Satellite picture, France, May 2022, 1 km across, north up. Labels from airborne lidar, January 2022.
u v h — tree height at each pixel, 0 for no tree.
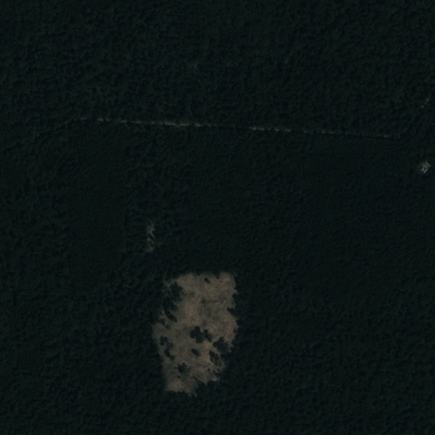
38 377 22
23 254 22
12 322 15
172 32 27
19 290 23
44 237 27
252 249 17
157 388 19
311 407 23
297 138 16
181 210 27
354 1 23
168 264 26
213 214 21
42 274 25
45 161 10
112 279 22
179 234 26
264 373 24
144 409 17
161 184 27
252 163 23
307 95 22
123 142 20
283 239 16
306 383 27
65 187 22
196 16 26
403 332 25
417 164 7
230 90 24
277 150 24
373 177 18
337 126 15
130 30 18
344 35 26
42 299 26
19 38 21
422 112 24
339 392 23
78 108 26
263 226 22
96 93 27
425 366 25
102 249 20
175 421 22
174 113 27
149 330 25
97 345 28
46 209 31
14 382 19
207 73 25
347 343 26
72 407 28
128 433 22
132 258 26
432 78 27
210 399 22
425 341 27
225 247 21
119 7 21
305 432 17
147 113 21
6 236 28
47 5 27
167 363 0
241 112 28
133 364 10
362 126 27
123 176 21
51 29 22
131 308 10
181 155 27
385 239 20
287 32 8
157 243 25
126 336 22
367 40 22
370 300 20
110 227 18
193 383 0
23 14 24
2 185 28
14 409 23
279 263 19
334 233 20
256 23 28
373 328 25
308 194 21
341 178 21
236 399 25
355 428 25
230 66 25
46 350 28
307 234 18
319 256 17
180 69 26
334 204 17
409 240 23
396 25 27
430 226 22
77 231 22
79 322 30
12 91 16
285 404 24
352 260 20
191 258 22
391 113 25
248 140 17
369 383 26
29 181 27
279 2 6
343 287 19
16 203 28
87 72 25
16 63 29
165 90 24
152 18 24
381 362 27
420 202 23
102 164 18
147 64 22
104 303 19
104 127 21
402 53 24
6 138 25
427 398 12
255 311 29
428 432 29
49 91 26
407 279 22
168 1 7
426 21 27
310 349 21
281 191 21
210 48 29
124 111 26
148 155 26
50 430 24
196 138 22
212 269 20
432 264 24
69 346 28
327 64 27
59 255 24
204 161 20
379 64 11
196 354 20
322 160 21
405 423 25
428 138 23
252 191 24
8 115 21
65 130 24
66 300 28
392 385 26
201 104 28
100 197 20
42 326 26
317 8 24
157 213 27
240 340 13
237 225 23
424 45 30
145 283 21
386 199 20
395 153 19
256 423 18
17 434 22
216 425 24
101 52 23
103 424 26
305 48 22
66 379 21
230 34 17
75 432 28
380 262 21
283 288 23
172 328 0
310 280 21
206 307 0
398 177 10
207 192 18
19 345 26
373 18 25
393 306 28
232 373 22
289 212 14
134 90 26
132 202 23
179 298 22
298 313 21
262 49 27
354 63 24
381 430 25
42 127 16
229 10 28
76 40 27
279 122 25
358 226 18
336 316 19
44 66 27
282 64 30
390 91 17
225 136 19
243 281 22
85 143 22
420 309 30
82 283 20
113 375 16
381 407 26
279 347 11
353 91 20
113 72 25
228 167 18
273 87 25
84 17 27
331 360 26
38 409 24
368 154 19
